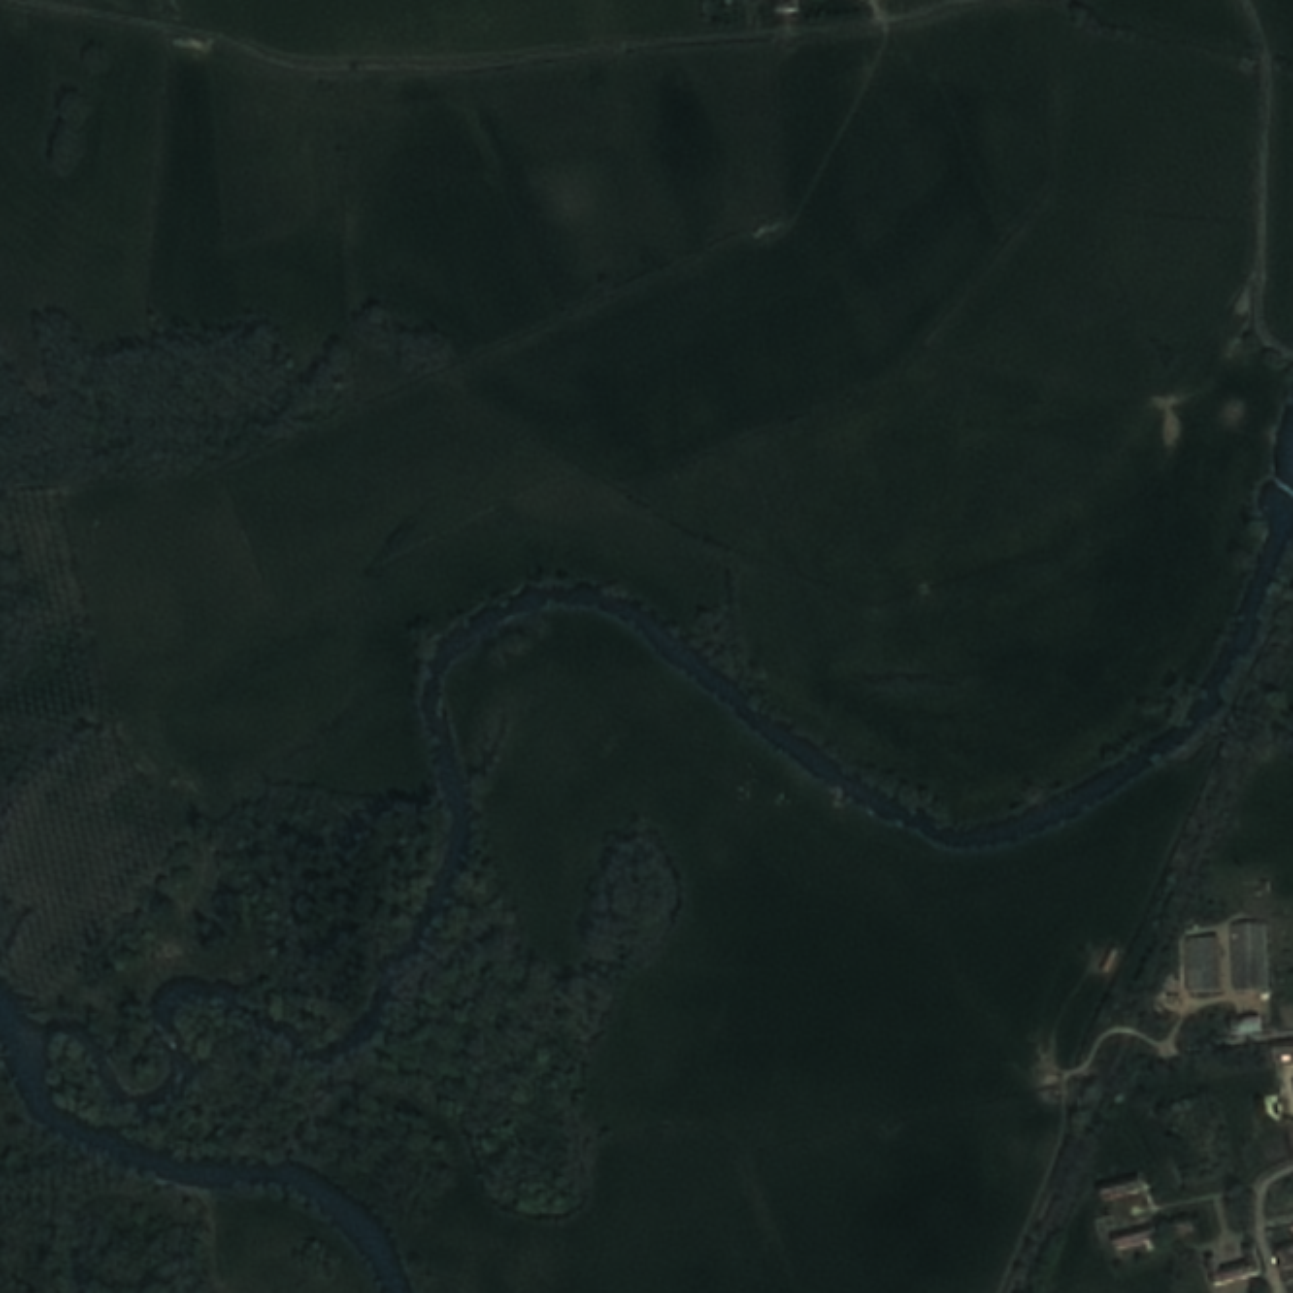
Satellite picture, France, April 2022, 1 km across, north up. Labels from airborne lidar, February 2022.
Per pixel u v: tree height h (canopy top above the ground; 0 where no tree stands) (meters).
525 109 0
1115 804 0
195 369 24
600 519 0
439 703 0
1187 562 0
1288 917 8
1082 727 0
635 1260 0
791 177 0
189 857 10
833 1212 0
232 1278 0
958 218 0
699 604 0
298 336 0
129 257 0
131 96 0
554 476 0
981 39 0
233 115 0
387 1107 13
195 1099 14
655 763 0
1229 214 0
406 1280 0
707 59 0
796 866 0
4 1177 18
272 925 8
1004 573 0
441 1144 10
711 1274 0
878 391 0
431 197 0
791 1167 0
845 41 0
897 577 0
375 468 0
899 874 0
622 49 0
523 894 0
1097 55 0
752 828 0
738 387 0
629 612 0
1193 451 0
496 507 0
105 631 0
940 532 0
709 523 0
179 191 0
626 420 0
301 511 0
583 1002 31
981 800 0
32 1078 0
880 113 0
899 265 0
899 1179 0
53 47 0
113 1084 0
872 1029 0
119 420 23
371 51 0
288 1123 11
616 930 24
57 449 27
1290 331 0
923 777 0
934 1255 0
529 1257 0
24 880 0
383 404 0
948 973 0
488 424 0
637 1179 0
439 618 0
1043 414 0
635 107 0
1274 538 0
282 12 0
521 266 0
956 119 0
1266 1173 0
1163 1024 7
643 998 0
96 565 0
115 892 0
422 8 0
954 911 0
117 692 0
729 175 0
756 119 0
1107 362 0
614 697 0
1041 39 0
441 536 0
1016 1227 0
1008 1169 0
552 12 0
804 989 0
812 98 0
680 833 0
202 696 0
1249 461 0
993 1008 0
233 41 0
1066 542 0
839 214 0
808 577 0
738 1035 0
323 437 0
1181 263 0
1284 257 0
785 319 0
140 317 0
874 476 0
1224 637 7
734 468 0
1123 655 0
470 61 0
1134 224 0
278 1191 9
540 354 0
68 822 0
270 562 0
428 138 0
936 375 0
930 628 0
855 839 0
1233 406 0
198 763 0
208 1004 15
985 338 0
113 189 0
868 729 0
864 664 0
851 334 0
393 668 0
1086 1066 0
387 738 0
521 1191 12
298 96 0
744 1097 0
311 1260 10
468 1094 21
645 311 0
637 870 15
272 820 9
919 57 0
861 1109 0
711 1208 0
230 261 0
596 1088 0
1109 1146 0
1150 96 0
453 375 0
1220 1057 18
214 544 0
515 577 0
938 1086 0
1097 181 0
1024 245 0
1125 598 0
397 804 11
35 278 0
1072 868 0
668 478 0
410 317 0
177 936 0
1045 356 0
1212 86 0
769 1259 0
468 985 20
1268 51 0
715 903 0
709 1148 0
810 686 0
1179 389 0
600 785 0
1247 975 0
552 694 0
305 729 0
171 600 0
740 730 0
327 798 8
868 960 0
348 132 0
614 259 0
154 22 0
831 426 0
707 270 0
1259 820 0
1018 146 0
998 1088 0
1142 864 0
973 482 0
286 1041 27
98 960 10
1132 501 0
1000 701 0
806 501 0
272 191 0
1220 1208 0
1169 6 0
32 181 0
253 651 0
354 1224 0
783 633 0
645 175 0
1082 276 0
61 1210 19
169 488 0
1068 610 0
